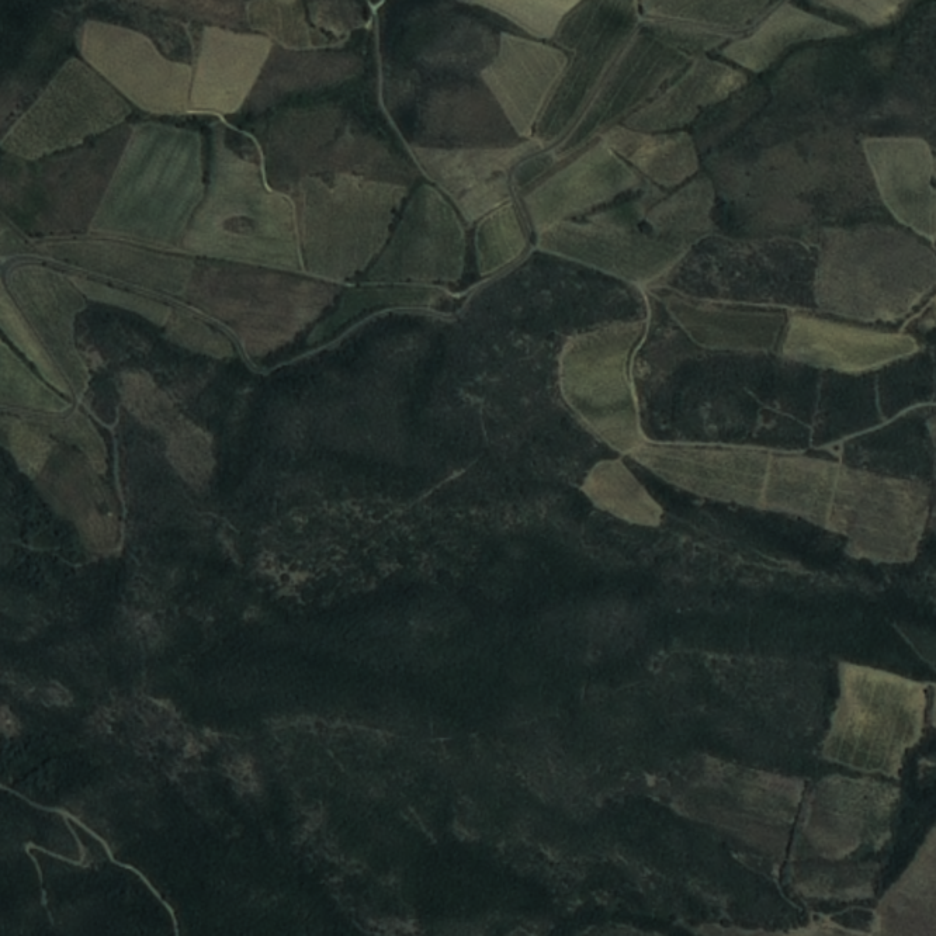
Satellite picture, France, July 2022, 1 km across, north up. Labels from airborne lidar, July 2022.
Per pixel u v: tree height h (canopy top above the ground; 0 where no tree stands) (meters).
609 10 0
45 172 0
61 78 0
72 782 7
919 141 0
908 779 7
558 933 12
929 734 7
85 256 0
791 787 0
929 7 0
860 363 0
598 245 0
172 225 0
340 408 0
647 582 7
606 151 0
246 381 6
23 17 6
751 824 0
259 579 7
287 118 0
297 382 8
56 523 6
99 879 6
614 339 0
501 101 0
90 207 0
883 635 6
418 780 6
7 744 14
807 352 0
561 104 0
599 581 7
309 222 0
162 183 0
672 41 0
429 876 6
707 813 0
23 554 7
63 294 0
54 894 7
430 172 0
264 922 8
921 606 7
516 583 6
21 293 0
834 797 0
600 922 9
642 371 0
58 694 0
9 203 0
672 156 0
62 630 5
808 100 0
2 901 6
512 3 0
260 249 0
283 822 8
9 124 6
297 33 0
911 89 0
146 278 0
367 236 0
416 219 0
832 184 0
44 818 8
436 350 7
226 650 7
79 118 0
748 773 0
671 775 8
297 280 0
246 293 0
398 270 0
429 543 7
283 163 0
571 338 0
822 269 0
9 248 0
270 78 0
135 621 0
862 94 0
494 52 0
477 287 0
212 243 0
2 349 0
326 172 0
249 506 7
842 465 0
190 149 0
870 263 0
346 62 0
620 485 0
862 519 0
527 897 7
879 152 0
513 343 0
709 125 0
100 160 0
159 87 0
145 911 7
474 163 0
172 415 0
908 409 0
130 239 0
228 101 0
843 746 0
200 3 0
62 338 0
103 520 0
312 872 7
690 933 8
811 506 0
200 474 0
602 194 0
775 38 0
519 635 6
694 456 0
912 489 0
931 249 0
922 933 0
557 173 0
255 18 0
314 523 5
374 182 0
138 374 0
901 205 0
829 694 7
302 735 6
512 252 0
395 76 0
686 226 0
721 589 6
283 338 0
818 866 0
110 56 0
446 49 0
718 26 0
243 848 5
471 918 6
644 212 0
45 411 0
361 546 7
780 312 0
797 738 6
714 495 0
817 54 0
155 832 6
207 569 5
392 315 7
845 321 0
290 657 7
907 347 0
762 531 6
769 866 0
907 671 6
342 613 6
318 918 10
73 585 6
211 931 7
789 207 0
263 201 0
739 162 0
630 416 0
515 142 0
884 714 0
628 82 0
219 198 0
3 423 0
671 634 6
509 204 0
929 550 5
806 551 6
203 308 0
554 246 0
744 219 0
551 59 0
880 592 6
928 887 0
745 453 0
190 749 0
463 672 5
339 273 0
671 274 0
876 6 0
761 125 0
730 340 0
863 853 6
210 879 6
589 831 7
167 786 6
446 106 0
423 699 6
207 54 0
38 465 0
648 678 0
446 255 0
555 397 0
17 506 7
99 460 0
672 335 0
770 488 0
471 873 8
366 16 10
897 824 7
